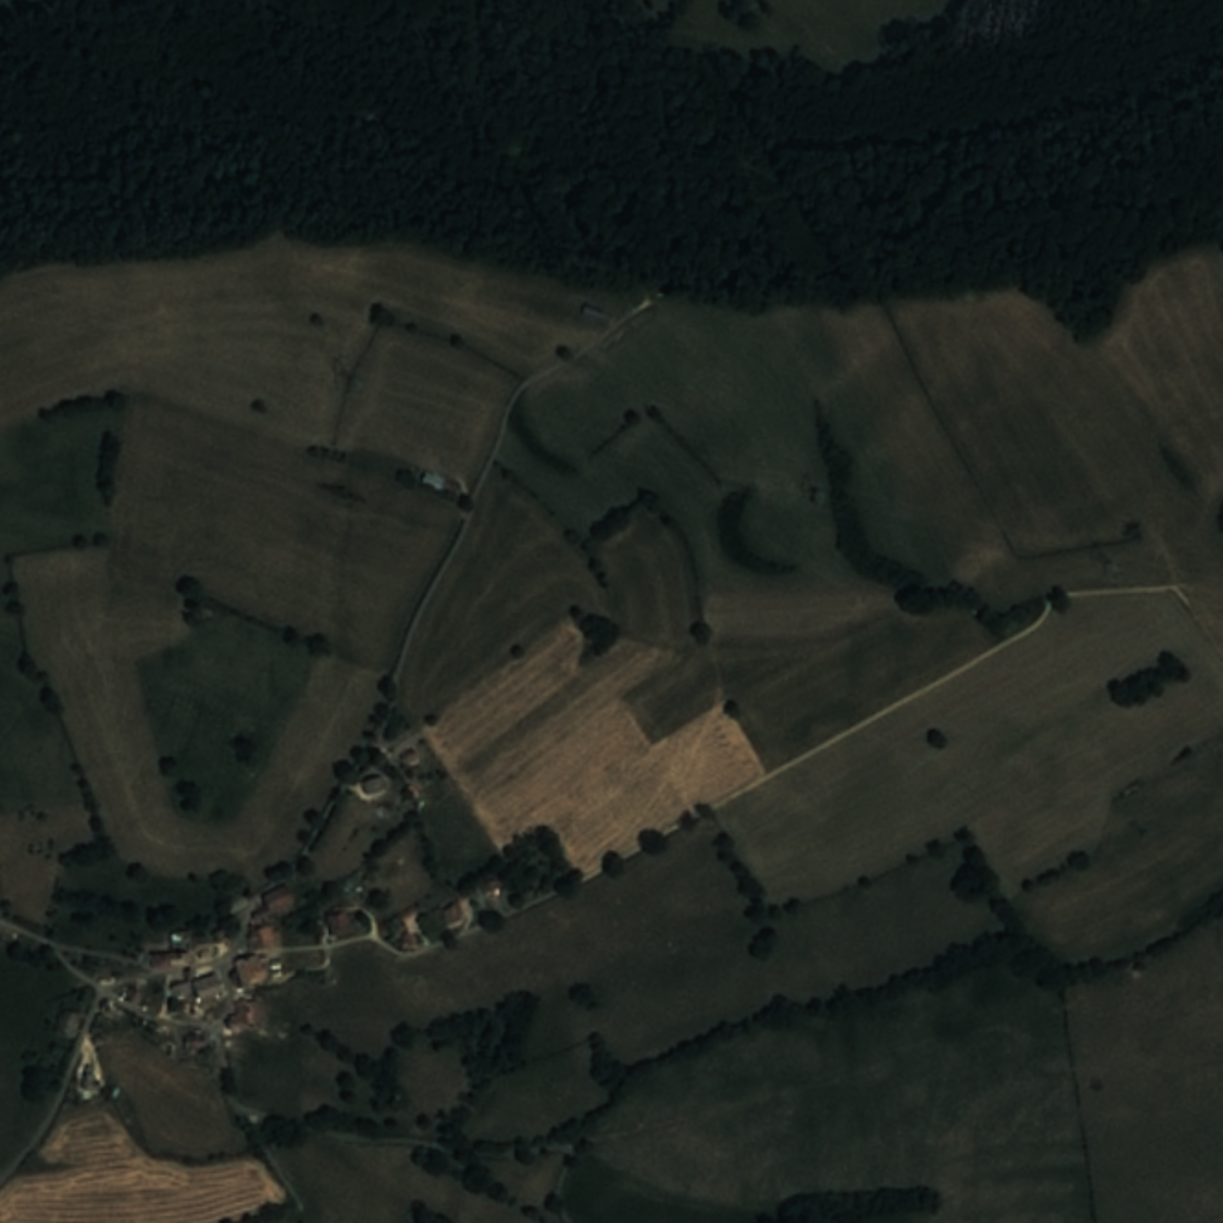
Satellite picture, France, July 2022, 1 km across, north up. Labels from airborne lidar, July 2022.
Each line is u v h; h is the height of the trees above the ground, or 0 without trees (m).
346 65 21
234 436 0
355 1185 0
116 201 31
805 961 0
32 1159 0
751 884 15
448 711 0
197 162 29
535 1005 19
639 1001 0
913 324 0
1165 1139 0
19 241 27
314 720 0
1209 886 0
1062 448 0
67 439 0
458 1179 7
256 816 0
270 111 16
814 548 0
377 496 0
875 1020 0
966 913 0
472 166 19
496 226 17
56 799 0
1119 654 0
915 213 31
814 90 20
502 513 0
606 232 32
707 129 32
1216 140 28
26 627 0
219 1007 0
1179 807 0
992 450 0
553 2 31
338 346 0
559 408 0
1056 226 32
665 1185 0
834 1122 0
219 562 0
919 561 0
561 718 0
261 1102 0
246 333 0
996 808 0
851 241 33
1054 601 13
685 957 0
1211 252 0
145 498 0
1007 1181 0
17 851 0
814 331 0
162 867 0
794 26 0
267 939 0
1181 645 0
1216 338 0
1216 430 0
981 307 0
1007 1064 0
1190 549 0
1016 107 19
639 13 16
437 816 0
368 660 0
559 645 0
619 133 36
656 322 0
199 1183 0
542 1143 8
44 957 13
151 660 0
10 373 0
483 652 0
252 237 13
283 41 21
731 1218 0
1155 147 31
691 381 0
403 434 0
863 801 0
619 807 0
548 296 0
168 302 0
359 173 18
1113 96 16
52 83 24
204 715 0
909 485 0
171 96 16
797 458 0
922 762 0
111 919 21
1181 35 19
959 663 0
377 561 0
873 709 0
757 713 0
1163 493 0
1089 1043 0
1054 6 24
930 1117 0
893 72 21
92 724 0
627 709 0
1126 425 0
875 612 0
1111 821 0
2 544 0
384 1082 16
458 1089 0
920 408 0
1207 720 0
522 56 22
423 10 33
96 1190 0
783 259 29
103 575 0
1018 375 0
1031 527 0
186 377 0
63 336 0
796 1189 0
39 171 17
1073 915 0
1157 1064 0
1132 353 0
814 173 30
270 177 14
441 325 0
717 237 33
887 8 0
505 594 0
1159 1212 0
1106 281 23
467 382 0
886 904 0
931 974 12
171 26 28
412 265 0
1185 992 0
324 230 16
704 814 15
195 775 0
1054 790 0
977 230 29
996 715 0
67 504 0
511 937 0
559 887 14
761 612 0
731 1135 0
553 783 0
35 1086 22
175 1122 0
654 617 0
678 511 0
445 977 0
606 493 0
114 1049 0
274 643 0
